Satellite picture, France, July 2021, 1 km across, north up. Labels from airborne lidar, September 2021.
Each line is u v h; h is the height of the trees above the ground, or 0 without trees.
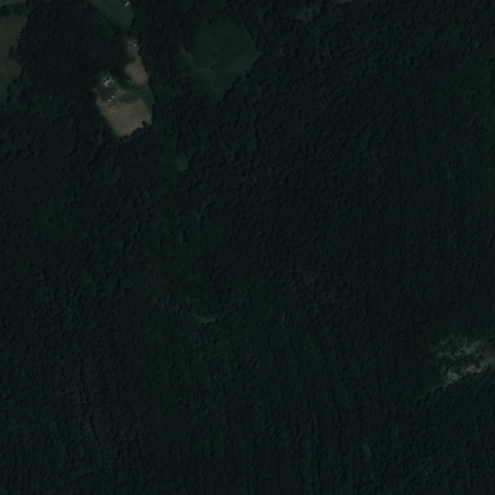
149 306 22
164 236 30
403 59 14
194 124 21
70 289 25
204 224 24
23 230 21
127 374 20
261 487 27
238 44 0
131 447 25
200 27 17
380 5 16
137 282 23
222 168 21
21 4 8
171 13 13
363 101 26
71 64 12
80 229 26
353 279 26
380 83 26
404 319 19
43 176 23
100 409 21
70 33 18
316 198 19
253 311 20
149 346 23
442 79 26
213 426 26
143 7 14
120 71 21
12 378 20
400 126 27
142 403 19
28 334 27
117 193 24
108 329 18
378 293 17
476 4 15
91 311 27
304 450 28
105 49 17
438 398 20
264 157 24
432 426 19
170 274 24
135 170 26
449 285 20
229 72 0
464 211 24
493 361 0
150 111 0
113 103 0
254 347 21
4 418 21
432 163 17
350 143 20
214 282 9
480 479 23
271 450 21
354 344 19
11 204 21
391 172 18
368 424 29
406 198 19
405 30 21
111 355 20
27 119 22
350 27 10
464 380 12
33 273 26
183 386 29
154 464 25
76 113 30
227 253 20
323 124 13
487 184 24
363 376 9
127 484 23
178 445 23
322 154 22
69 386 20
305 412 27
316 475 18
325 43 21
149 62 23
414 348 17
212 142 24
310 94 26
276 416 27
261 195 24
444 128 21
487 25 19
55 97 18
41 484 19
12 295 23
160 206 23
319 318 20
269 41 25
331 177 21
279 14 30
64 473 22
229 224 21
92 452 19
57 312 9
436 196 18
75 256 20
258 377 22
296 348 23
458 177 15
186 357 27
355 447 20
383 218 19
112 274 26
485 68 22
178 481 22
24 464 17
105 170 29
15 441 21
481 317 11
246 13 23
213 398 22
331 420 11
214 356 22
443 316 19
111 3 0
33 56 17
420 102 23
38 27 14
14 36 0
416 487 18
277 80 9
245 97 11
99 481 17
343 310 21
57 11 17
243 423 24
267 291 22
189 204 26
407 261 24
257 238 23
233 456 20
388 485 19
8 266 27
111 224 26
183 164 0
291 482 19
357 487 17
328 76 22
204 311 19
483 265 20
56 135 22
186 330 23
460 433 24
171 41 24
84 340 20
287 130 21
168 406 21
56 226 23
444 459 28
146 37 10
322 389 22
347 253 21
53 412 15
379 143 20
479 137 23
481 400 18
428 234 23
